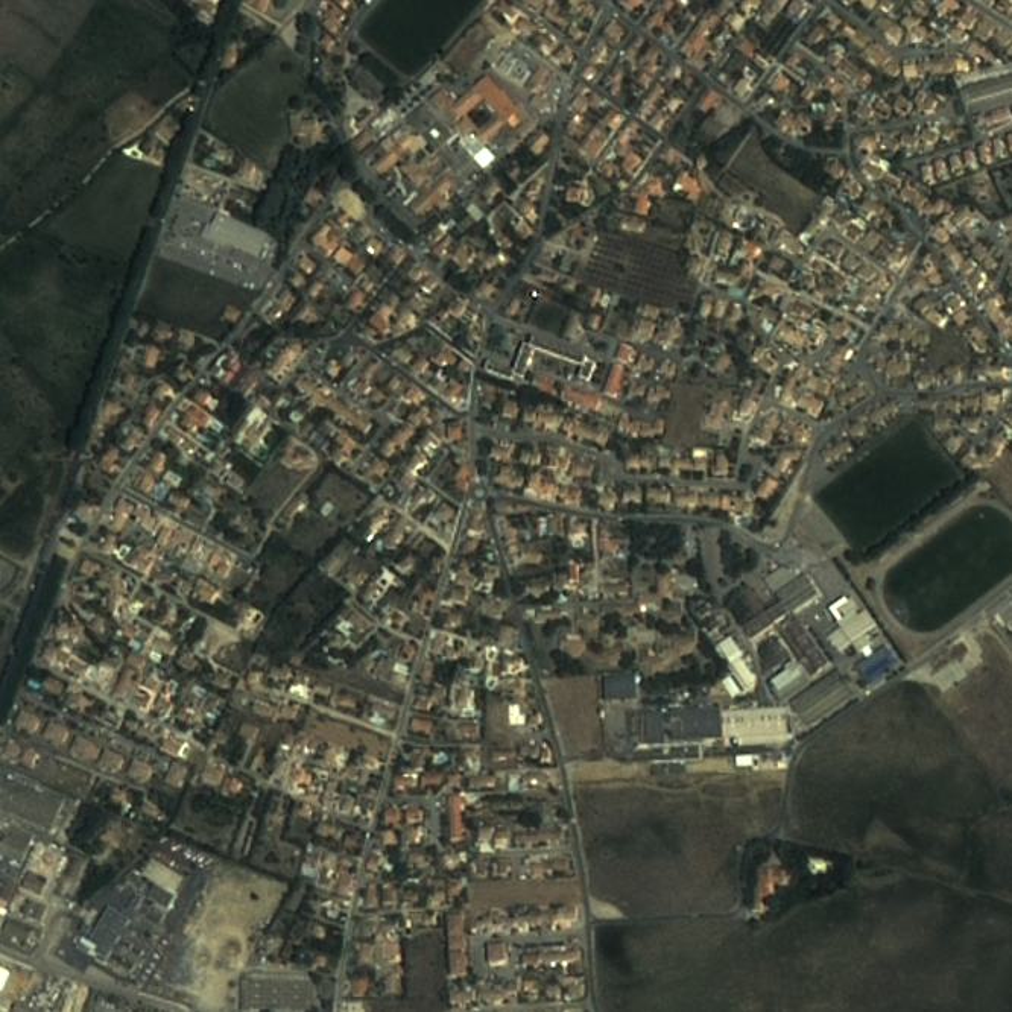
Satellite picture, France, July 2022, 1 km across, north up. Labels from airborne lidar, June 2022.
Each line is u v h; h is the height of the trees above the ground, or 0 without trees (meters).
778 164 7
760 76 0
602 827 0
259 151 0
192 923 0
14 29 0
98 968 0
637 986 0
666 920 0
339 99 10
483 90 0
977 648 0
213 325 0
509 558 0
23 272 0
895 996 0
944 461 0
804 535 0
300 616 8
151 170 0
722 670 13
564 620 7
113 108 0
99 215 0
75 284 0
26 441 0
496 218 0
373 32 0
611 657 0
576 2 0
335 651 9
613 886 0
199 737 7
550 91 0
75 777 0
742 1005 0
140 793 6
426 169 0
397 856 7
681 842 0
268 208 19
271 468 0
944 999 0
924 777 0
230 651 0
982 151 0
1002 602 0
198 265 0
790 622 0
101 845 6
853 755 0
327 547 6
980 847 0
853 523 0
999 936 0
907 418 0
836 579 0
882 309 0
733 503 0
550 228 8
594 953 0
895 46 0
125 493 0
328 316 6
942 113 0
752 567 10
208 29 17
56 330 0
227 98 0
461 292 16
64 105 0
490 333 8
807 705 0
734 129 9
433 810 0
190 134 18
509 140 0
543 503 0
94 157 0
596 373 6
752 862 8
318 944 9
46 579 9
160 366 10
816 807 0
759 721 0
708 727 0
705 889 0
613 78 0
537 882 0
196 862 0
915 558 0
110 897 0
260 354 7
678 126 8
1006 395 0
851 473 0
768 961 0
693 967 0
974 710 0
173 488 6
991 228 0
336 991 0
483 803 8
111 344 18
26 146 0
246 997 0
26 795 0
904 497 0
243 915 0
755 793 0
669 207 0
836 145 7
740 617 10
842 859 8
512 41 0
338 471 6
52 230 0
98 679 0
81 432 20
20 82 0
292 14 0
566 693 0
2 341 0
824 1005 0
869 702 0
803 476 0
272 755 7
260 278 0
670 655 0
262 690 0
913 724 0
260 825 8
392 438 0
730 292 0
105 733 0
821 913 0
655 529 11
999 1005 0
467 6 0
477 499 0
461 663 6
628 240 0
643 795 0
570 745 0
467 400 0
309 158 11
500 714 0
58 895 0
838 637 0
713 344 8
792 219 0
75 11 0
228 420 9
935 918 0
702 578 11
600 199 5
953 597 0
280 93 0
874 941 0
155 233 15
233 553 0
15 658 11
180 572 0
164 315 0
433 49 0
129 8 0
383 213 18
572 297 9
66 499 8
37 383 0
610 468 0
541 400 8
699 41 0
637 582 0
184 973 0
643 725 0
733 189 0
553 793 7
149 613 7
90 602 6
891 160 8
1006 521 0
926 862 0
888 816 0
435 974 0
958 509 0
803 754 0
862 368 0
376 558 6
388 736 0
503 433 0
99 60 0
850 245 0
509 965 0
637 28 0
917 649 0
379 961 0
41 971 0
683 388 0
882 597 0
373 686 0
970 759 0
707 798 0
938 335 0
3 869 0
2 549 0
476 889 0
